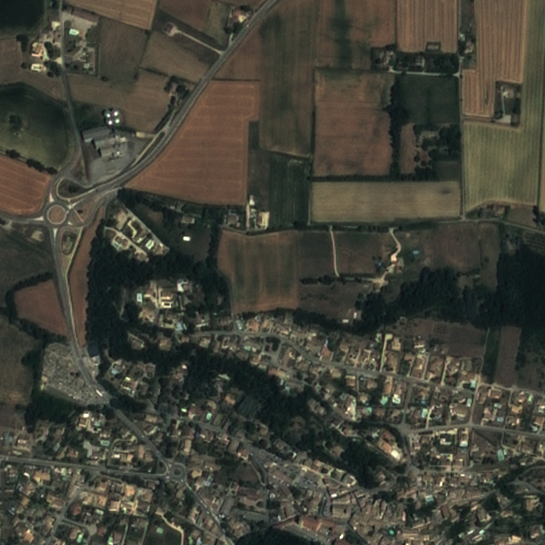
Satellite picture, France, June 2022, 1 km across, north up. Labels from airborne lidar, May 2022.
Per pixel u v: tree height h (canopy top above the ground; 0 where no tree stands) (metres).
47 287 0
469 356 0
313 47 0
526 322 6
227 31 13
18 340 0
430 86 0
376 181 15
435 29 0
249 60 0
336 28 0
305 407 15
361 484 9
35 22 0
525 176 0
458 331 0
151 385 11
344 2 0
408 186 0
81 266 0
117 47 0
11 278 0
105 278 22
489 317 10
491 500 9
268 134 0
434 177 12
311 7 0
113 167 0
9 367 0
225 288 10
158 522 9
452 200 0
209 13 0
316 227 11
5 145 0
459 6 0
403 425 0
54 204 0
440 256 0
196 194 0
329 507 0
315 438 15
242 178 0
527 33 0
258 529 17
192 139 0
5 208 0
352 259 0
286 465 0
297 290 0
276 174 0
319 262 0
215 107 0
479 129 0
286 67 0
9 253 0
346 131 0
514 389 0
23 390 0
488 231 0
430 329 0
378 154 0
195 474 0
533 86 0
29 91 0
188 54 0
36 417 11
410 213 0
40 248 0
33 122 0
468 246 0
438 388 0
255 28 0
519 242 8
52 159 0
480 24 0
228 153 0
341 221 0
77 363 0
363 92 0
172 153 0
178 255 15
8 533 0
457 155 12
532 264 12
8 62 0
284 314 7
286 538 25
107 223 11
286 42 0
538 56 0
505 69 0
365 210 0
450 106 0
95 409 15
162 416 10
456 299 10
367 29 0
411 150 0
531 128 0
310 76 0
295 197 0
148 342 6
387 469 10
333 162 0
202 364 20
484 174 0
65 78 0
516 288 20
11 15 0
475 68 0
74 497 0
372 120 0
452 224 0
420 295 16
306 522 0
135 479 10
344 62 0
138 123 0
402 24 0
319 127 0
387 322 10
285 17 0
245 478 0
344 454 11
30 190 0
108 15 0
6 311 11
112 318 15
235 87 0
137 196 14
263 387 14
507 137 0
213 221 7
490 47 0
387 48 12
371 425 8
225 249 0
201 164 0
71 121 0
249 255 0
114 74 0
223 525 11
